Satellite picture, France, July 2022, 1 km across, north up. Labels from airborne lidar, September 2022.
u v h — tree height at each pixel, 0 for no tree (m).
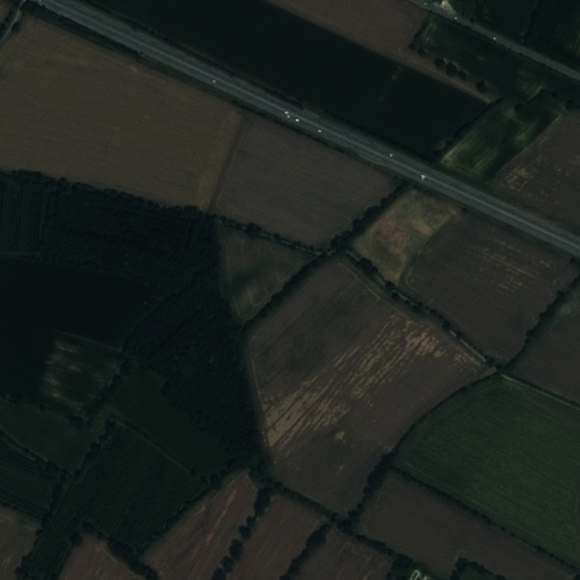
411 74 0
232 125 0
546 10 24
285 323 0
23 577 16
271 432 0
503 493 0
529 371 0
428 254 0
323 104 0
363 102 0
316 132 0
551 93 6
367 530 0
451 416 0
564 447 0
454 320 0
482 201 0
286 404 0
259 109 0
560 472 0
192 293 23
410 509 0
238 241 0
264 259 0
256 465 10
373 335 0
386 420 0
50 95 0
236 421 17
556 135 0
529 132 0
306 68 0
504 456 0
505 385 0
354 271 0
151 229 21
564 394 0
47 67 0
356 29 0
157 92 0
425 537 0
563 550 0
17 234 6
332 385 0
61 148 0
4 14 0
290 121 0
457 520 0
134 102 0
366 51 0
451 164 0
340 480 0
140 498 6
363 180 0
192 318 28
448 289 0
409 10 0
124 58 0
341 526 14
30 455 8
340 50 0
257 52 0
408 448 0
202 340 19
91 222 14
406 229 0
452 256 0
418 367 0
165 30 0
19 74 0
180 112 0
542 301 0
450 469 0
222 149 0
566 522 0
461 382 0
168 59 0
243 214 0
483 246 0
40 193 6
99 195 18
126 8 0
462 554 0
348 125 11
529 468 0
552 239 0
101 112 0
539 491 0
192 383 20
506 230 0
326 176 0
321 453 0
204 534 0
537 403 0
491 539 0
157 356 30
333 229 0
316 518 0
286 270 0
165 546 0
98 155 0
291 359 0
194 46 0
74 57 0
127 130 0
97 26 0
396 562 7
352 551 0
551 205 0
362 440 0
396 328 0
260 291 0
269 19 0
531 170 0
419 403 0
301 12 0
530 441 0
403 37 0
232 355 25
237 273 0
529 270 0
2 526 0
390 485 0
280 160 0
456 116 0
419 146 0
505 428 0
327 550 0
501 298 0
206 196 0
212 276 22
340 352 0
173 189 0
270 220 0
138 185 0
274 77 0
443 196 0
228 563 20
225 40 0
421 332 0
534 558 0
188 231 14
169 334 29
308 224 0
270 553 0
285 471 0
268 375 0
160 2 0
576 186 0
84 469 10
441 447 0
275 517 0
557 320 0
